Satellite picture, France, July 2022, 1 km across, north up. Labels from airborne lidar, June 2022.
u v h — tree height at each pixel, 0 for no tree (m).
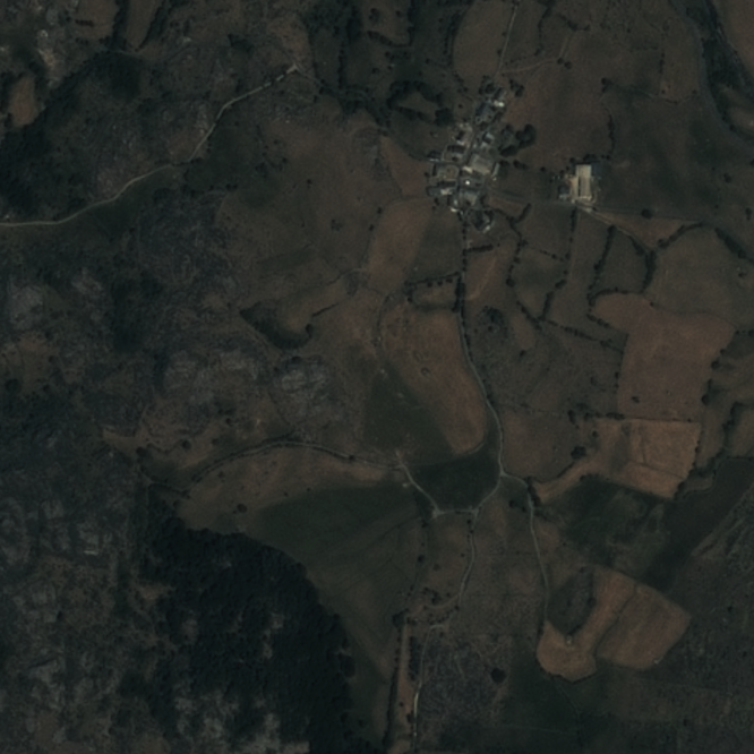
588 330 0
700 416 0
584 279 0
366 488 0
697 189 0
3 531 0
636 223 0
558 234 0
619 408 0
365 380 0
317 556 0
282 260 0
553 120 0
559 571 0
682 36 0
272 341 6
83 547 0
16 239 0
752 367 0
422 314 0
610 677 0
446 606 0
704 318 0
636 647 0
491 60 0
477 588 0
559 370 0
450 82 0
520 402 0
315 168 0
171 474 0
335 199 0
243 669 20
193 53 0
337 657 7
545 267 0
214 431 0
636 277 0
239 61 0
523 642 0
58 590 0
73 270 0
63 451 0
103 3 0
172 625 14
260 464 0
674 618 0
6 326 0
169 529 17
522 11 0
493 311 6
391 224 0
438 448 0
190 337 0
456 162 7
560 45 0
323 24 12
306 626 15
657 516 0
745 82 0
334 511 0
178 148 0
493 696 0
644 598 0
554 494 0
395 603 0
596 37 0
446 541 0
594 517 0
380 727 0
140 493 6
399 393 0
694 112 0
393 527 0
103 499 0
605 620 0
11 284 0
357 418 0
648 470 0
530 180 0
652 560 0
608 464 0
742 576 0
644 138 0
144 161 0
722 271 0
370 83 0
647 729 0
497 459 0
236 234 0
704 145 0
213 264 0
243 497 0
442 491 0
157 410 0
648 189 0
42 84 7
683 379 0
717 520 0
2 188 9
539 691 0
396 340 0
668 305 0
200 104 0
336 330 0
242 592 16
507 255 0
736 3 0
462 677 0
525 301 0
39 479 0
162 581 9
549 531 0
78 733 0
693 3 0
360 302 0
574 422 9
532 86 0
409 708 0
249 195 0
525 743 0
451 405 0
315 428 0
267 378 0
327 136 0
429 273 0
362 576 0
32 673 0
